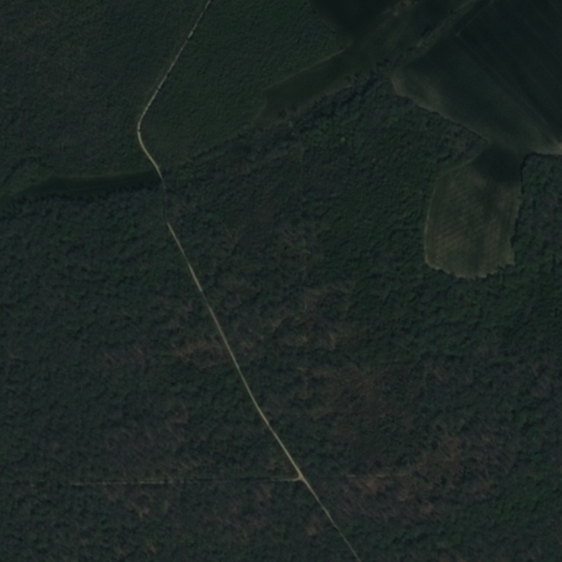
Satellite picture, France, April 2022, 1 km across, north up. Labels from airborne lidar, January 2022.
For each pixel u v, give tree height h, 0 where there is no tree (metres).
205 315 24
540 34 0
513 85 0
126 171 17
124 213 25
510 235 0
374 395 5
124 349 26
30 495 22
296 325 6
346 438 6
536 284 20
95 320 27
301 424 24
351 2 0
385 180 10
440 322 26
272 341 7
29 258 28
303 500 26
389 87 20
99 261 27
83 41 0
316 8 0
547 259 27
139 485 21
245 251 9
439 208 0
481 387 27
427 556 28
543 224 29
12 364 25
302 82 0
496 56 0
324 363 13
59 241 27
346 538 19
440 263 0
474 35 0
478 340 24
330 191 8
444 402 23
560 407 29
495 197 0
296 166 7
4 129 23
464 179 0
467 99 0
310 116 7
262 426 19
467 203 0
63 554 24
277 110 0
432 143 9
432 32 17
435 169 10
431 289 22
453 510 26
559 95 0
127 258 26
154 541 23
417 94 0
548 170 26
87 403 24
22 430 27
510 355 13
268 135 9
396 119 20
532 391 12
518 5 0
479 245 0
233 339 28
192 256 20
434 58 0
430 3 0
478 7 0
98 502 22
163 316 25
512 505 21
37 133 19
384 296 26
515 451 29
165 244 21
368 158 7
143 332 23
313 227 27
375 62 0
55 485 24
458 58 0
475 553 24
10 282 24
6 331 23
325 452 22
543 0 0
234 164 6
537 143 0
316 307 9
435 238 0
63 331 25
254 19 14
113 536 24
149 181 0
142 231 24
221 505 27
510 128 0
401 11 0
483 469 8
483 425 31
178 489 21
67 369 23
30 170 26
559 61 0
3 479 24
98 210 23
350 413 7
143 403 24
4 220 11
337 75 0
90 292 23
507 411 24
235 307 29
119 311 27
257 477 10
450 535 22
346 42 0
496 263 0
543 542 27
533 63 0
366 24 0
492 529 26
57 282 27
